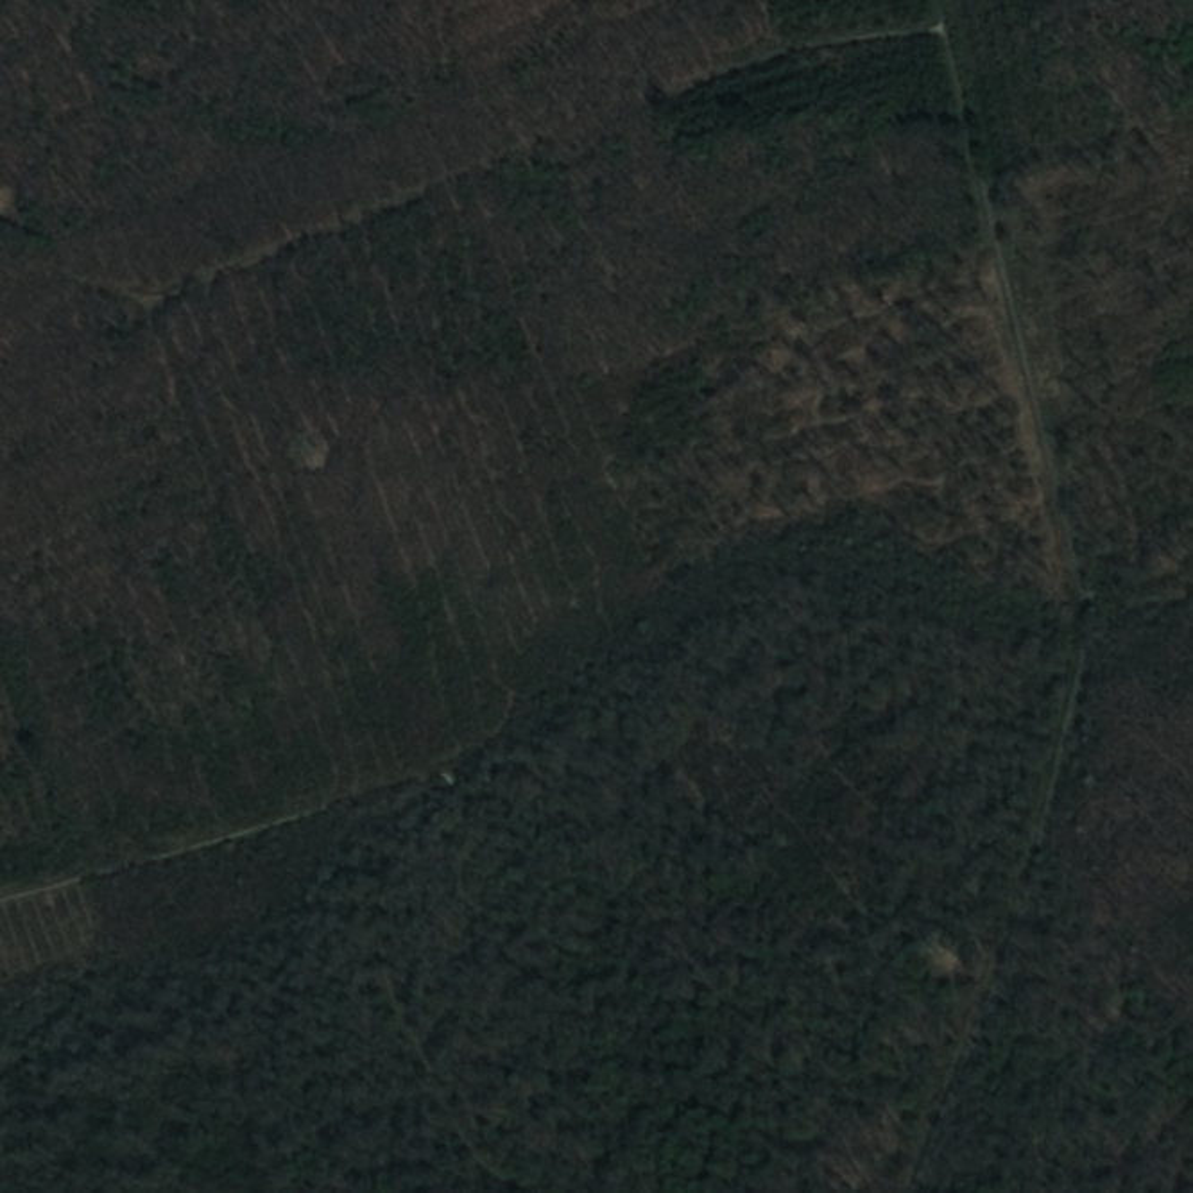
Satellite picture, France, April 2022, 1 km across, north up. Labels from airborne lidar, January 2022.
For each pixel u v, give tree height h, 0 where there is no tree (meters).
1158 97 24
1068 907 29
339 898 27
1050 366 0
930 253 24
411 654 11
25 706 16
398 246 16
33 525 18
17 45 23
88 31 22
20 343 17
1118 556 28
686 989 28
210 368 17
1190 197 6
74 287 18
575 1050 25
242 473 11
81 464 16
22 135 24
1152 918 20
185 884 14
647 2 16
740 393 29
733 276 21
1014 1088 26
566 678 14
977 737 29
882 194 24
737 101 13
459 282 14
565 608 12
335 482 16
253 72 21
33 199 23
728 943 27
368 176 20
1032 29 16
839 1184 28
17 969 0
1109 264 0
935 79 10
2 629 15
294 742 14
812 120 20
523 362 13
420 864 30
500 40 13
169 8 22
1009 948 0
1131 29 21
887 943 27
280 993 24
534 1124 27
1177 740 23
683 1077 23
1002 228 0
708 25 21
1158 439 0
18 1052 21
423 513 16
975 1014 0
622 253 23
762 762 15
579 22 16
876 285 33
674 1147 23
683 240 23
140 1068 28
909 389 33
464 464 14
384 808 14
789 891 10
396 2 21
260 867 14
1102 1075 23
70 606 18
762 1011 23
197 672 17
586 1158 28
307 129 20
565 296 21
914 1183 0
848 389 33
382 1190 23
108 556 18
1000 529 19
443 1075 24
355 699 10
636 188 25
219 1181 5
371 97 19
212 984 12
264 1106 26
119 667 12
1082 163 30
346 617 13
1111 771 23
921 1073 25
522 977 32
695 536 26
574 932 31
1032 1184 29
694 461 27
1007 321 0
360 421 15
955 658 26
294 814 0
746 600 29
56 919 0
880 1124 30
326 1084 22
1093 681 13
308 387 17
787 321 0
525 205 19
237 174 20
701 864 28
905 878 28
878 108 12
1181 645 19
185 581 19
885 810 8
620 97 23
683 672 26
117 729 16
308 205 17
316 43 22
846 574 20
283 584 12
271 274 15
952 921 21
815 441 0
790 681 27
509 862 23
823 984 24
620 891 25
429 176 17
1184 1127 11
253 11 23
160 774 16
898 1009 29
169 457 16
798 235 26
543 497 17
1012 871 29
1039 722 24
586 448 15
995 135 8
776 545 21
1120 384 34
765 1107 23
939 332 33
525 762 24
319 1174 24
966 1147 27
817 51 6
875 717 14
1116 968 25
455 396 16
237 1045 27
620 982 26
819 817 8
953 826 13
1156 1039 11
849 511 6
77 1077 28
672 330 19
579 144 23
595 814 24
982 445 32
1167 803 22
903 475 32
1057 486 0
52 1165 25
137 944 16
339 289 19
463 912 25
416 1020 18
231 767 14
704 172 23
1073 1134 23
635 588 17
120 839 13
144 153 22
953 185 22
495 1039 22
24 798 7
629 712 24
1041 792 27
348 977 23
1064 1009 15
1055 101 8
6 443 18
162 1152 25
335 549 11
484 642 11
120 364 14
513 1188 0
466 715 11
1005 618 17
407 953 23
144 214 17
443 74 19
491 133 20
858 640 24
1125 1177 12
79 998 24
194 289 17
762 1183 22
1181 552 28
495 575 9
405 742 8
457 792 12
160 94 17
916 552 14
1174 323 36
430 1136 29
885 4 8
